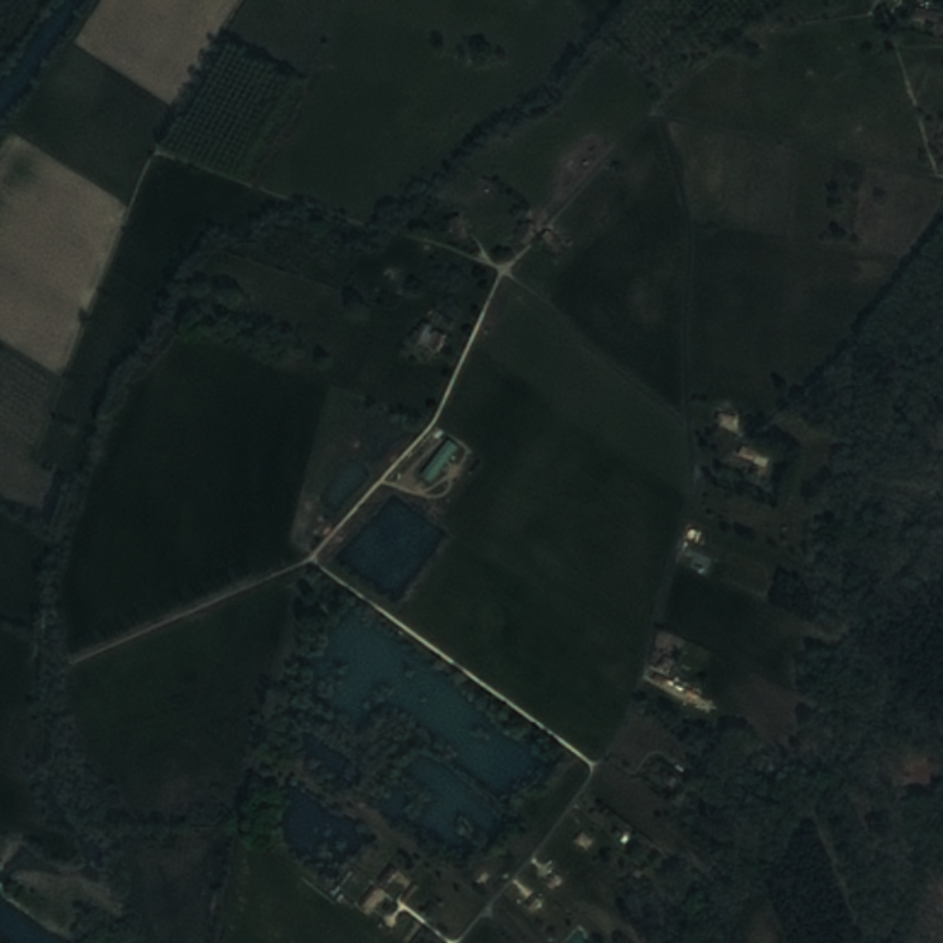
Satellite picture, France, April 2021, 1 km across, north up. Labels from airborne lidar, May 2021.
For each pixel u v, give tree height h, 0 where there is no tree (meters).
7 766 0
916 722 18
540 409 0
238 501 0
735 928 18
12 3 11
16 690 0
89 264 0
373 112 0
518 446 0
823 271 0
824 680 21
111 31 0
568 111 0
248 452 0
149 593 0
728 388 0
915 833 20
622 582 0
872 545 19
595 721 0
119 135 0
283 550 0
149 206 0
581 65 24
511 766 0
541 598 0
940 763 21
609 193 0
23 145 0
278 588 0
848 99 0
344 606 25
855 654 18
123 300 0
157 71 0
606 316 0
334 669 12
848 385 16
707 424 0
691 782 15
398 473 0
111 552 0
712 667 0
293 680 15
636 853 16
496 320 0
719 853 20
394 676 0
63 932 0
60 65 0
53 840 0
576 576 0
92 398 0
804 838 20
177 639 0
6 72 12
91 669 0
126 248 0
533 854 0
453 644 0
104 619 0
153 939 8
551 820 0
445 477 0
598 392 0
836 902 22
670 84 10
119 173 0
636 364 0
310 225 15
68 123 0
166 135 0
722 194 0
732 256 0
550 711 0
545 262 0
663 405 0
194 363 0
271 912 0
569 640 0
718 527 0
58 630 18
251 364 0
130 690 0
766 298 0
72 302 0
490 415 0
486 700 16
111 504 0
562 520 0
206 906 0
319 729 21
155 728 0
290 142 0
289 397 0
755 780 16
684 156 0
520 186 0
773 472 0
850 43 0
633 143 0
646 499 0
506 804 13
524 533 0
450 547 0
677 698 0
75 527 13
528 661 0
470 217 0
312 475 0
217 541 0
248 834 20
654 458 0
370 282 0
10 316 0
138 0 0
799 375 0
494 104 0
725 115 0
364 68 0
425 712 0
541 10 0
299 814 0
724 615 0
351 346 0
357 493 0
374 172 0
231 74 0
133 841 9
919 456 17
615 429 0
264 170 0
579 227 0
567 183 0
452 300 13
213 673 0
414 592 0
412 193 7
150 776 0
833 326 0
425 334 0
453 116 0
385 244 9
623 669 0
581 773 0
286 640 0
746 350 0
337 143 0
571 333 0
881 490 12
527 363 0
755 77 0
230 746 0
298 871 0
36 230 0
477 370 0
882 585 13
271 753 13
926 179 0
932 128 7
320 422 0
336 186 0
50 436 0
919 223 0
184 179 0
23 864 0
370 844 9
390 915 6
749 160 0
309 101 0
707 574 0
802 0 0
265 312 0
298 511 0
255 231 14
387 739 18
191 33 0
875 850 16
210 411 0
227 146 0
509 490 0
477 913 0
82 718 0
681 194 0
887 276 0
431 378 0
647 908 18
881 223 0
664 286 0
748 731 19
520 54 0
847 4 16
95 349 0
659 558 0
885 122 0
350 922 0
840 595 19
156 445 0
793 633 0
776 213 0
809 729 21
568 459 0
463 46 0
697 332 0
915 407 22
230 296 25
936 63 0
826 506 20
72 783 7
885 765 16
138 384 0
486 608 0
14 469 0
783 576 8
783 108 0
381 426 0
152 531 0
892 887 19
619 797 0
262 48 0
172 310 21
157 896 0
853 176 0
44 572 20
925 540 14
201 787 0
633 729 0
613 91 0
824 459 0
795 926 19
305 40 0
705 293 0
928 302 18
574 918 0
